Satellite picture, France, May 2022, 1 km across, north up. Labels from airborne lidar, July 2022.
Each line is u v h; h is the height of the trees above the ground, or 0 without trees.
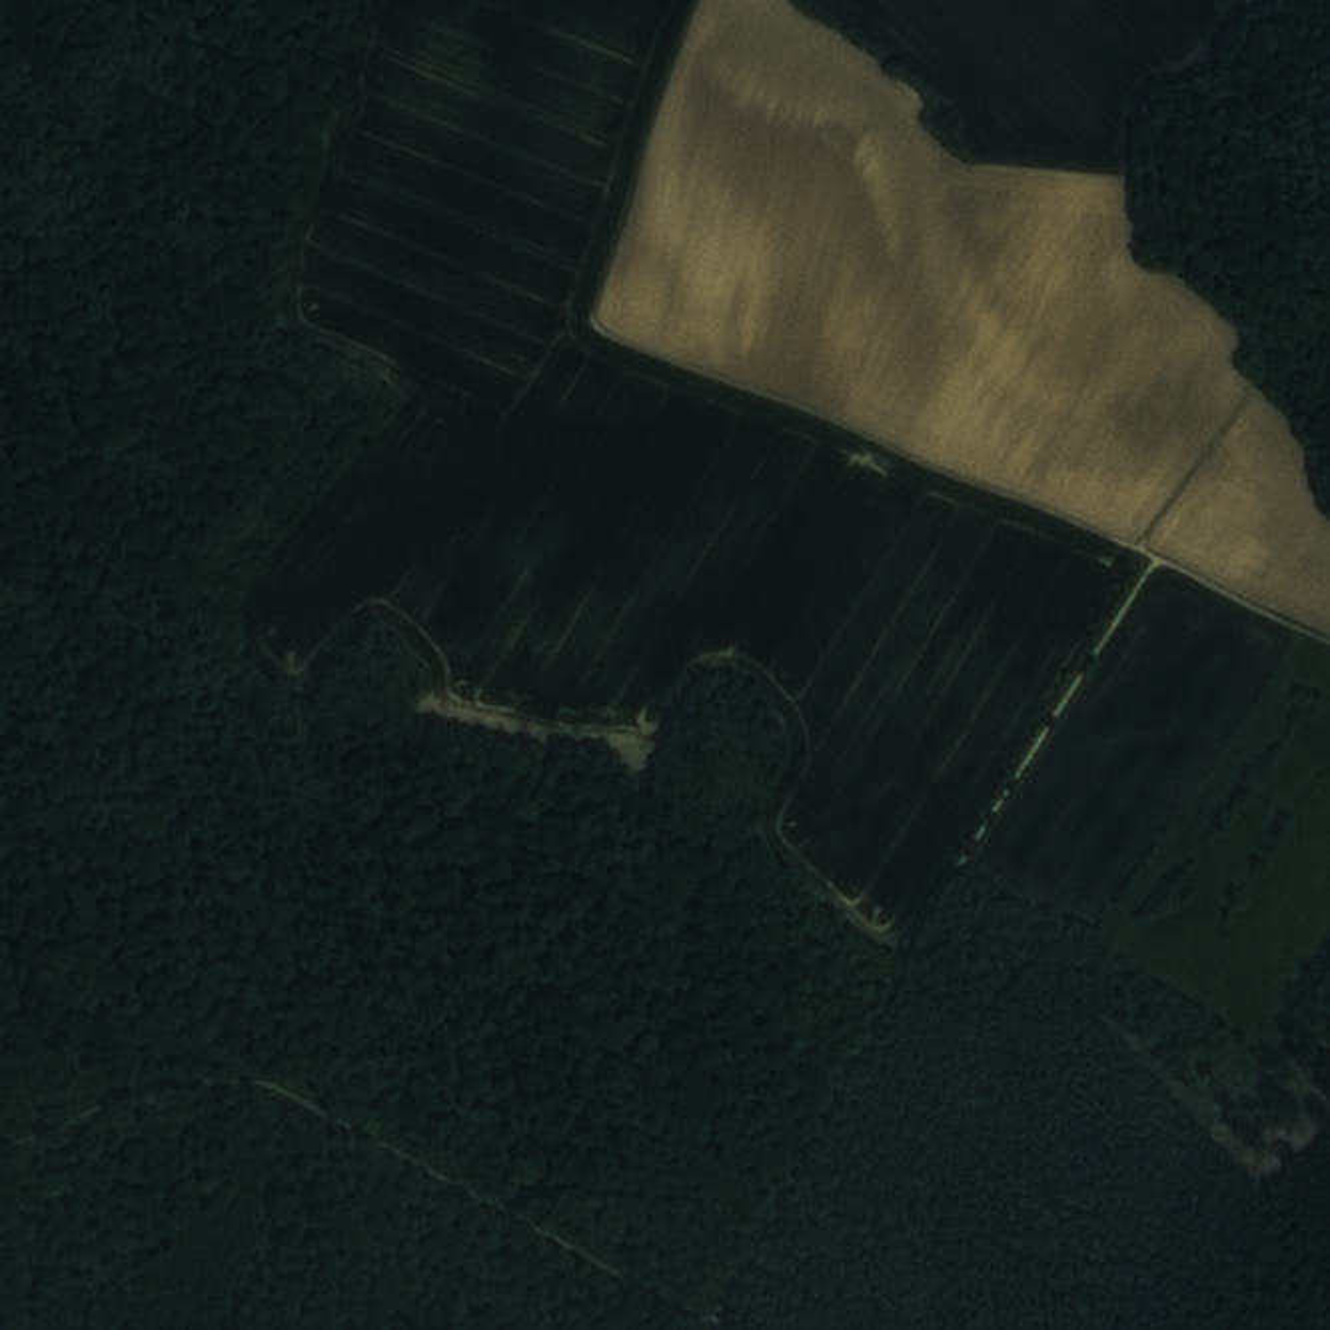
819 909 20
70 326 20
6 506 28
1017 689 0
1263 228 32
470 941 28
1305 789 0
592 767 22
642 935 22
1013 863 0
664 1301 23
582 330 0
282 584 0
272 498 22
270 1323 19
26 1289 6
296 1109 15
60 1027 29
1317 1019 28
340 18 25
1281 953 0
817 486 0
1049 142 0
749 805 18
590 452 0
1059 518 0
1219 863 0
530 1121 6
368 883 31
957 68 0
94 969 29
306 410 18
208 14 19
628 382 0
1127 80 0
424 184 0
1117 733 0
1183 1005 20
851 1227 26
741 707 21
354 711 25
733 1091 23
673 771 21
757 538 0
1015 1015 26
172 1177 27
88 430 31
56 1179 24
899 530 0
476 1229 18
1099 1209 24
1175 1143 21
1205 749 0
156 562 31
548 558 0
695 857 28
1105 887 0
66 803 32
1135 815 0
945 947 32
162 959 29
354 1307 29
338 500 0
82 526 30
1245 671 0
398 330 0
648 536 0
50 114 27
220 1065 26
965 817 0
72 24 28
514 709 0
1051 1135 26
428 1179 20
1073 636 0
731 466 0
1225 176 28
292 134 28
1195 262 30
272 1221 22
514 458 0
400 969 22
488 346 0
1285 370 27
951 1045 26
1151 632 0
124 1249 22
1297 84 32
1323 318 26
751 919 22
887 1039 25
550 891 28
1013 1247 22
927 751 0
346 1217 24
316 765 25
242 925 32
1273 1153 27
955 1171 25
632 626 0
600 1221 28
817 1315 25
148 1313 25
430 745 28
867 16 0
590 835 24
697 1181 24
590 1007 27
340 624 0
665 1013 29
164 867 26
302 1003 32
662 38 0
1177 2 0
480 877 27
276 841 31
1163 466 0
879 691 0
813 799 0
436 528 0
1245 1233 25
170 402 32
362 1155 22
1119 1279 24
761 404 0
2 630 25
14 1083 22
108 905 31
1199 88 21
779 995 24
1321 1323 24
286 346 22
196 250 29
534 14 0
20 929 28
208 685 31
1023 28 0
